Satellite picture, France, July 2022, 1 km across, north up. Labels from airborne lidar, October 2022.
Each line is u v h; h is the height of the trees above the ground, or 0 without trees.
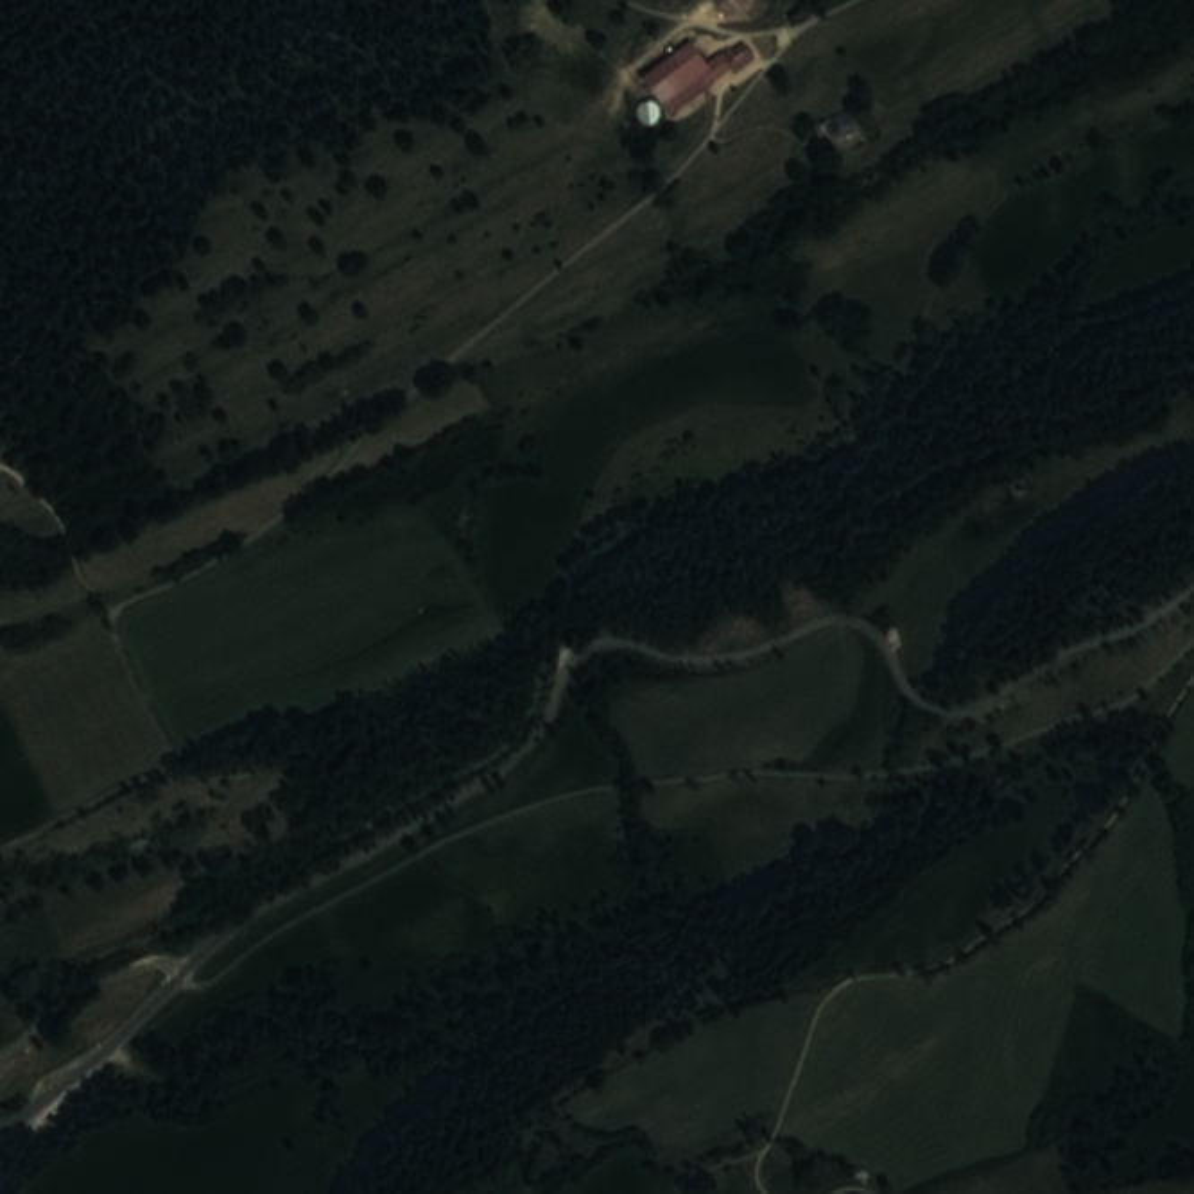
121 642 0
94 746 0
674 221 0
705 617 22
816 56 0
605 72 0
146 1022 0
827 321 15
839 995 0
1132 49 26
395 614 0
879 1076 0
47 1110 0
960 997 0
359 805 7
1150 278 0
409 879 0
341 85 14
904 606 0
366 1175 24
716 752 0
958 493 23
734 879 0
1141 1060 13
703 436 0
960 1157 0
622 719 0
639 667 7
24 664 0
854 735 0
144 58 6
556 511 0
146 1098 17
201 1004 0
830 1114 0
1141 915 0
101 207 10
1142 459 0
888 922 0
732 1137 0
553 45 0
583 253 0
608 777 0
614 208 0
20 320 13
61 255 19
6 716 0
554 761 0
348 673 0
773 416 0
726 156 0
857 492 19
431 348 0
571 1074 18
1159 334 23
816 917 8
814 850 6
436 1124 28
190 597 0
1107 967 0
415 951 0
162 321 0
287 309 0
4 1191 37
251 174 0
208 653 0
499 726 12
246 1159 0
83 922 0
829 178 21
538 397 0
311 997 17
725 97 0
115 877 13
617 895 0
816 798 0
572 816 0
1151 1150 0
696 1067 0
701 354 0
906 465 16
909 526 30
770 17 0
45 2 14
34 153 12
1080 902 0
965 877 0
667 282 6
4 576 15
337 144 12
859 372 13
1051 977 0
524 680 11
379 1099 0
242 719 0
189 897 18
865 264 0
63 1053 0
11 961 0
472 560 10
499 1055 27
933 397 31
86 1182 0
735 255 14
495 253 0
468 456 9
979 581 0
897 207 0
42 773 0
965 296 0
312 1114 0
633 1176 0
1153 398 21
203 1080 21
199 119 10
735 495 23
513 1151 10
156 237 11
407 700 7
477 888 0
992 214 0
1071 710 0
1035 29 0
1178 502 11
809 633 0
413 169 0
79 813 6
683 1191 13
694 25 0
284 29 19
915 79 0
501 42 0
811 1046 0
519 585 0
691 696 0
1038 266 0
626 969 30
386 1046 14
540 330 0
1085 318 11
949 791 22
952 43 0
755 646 0
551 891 0
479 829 0
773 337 0
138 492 8
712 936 23
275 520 0
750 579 20
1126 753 28
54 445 7
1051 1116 6
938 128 20
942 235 0
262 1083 0
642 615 12
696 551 31
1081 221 0
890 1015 0
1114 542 22
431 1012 21
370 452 0
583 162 0
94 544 18
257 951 0
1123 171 0
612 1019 25
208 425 0
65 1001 20
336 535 0
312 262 0
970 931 0
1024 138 0
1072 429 25
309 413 0
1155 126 0
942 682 7
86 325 7
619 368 0
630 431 0
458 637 0
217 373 0
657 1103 0
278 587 0
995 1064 0
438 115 20
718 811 0
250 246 0
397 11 11
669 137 11
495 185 0
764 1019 0
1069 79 28
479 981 22
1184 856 6
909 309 0
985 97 13
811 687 0
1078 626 13
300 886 11
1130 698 0
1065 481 0
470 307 0
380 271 0
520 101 0
